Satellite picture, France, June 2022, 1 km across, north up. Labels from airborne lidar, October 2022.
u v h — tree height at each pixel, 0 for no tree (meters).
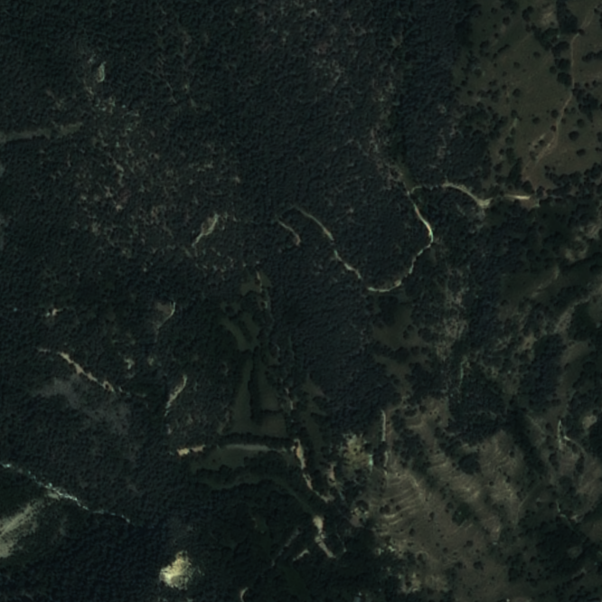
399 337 0
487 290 9
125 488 18
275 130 17
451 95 7
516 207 13
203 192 9
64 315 15
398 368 0
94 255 21
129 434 10
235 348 15
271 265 21
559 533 8
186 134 18
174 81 20
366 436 10
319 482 13
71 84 19
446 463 0
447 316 6
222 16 20
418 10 18
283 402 8
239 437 15
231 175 17
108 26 29
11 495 8
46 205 22
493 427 9
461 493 0
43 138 17
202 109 13
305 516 16
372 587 19
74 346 17
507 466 0
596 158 0
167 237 14
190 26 26
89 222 16
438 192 18
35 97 11
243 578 27
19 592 24
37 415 29
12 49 19
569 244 6
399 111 15
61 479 15
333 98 14
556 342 8
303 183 16
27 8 16
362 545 14
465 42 14
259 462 8
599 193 7
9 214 9
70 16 10
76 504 7
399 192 11
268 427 0
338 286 7
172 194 8
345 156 13
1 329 25
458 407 13
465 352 11
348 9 13
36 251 21
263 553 10
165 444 12
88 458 17
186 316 23
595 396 10
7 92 11
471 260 15
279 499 21
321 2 15
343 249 11
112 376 14
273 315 14
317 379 15
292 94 12
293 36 9
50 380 17
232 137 14
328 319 11
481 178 9
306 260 16
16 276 21
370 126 9
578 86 9
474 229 7
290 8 8
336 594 20
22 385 13
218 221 8
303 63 11
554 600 0
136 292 19
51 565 17
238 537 22
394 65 13
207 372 7
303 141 12
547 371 14
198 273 17
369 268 12
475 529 0
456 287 12
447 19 19
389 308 21
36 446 18
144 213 18
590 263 14
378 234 11
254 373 12
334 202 9
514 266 15
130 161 8
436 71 8
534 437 0
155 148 8
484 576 0
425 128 13
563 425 10
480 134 16
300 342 17
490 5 0
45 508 8
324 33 13
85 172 10
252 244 20
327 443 9
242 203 13
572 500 9
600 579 0
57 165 15
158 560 27
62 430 17
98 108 12
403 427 12
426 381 16
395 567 6
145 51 21
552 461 11
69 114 15
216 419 15
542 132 0
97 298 14
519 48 0
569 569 12
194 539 15
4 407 22
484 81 0
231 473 14
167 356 18
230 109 19
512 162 7
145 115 12
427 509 0
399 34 37
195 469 0
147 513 34
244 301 10
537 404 10
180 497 20
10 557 7
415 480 0
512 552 0
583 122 12
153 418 18
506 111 0
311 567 20
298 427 14
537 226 13
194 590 13
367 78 12
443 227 27
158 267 20
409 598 13
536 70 0
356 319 9
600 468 0
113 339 11
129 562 36
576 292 12
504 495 0
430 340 10
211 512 33
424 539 0
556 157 0
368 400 12
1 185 12
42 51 27
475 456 7
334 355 13
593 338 9
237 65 12
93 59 12
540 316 13
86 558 22
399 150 10
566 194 11
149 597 15
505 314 0
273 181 20
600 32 0
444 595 7
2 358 18
